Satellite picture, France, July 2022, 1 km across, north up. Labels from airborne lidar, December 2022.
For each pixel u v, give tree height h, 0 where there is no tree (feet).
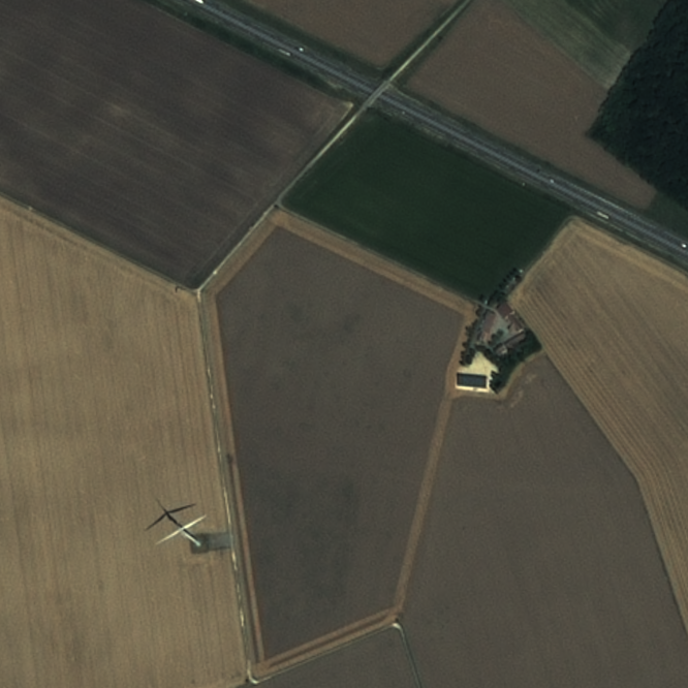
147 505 0
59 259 0
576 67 0
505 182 0
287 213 0
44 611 0
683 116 55
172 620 0
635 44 0
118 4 0
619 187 0
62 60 0
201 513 0
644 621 0
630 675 0
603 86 0
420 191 0
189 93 0
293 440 0
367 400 0
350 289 0
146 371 0
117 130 0
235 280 0
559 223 0
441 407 0
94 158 0
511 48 0
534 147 0
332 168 0
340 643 0
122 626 0
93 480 0
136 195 0
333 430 0
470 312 0
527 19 0
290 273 0
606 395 0
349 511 0
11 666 0
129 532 0
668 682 0
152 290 0
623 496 0
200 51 0
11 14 0
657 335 0
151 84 0
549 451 0
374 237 0
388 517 0
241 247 0
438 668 0
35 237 0
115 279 0
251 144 0
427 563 0
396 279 0
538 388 0
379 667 0
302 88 0
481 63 0
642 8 0
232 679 0
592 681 0
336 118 0
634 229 0
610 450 0
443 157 0
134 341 0
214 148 0
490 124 0
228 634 0
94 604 0
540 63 0
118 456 0
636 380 0
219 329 0
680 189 48
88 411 0
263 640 0
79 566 0
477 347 24
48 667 0
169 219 0
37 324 0
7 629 0
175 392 0
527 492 0
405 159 0
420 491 0
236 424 0
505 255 0
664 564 0
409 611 0
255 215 0
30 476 0
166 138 0
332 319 0
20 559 0
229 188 0
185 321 0
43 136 0
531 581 0
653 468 0
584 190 0
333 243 0
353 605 0
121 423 0
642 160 44
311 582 0
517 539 0
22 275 0
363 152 0
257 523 0
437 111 0
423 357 0
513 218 0
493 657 0
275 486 0
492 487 0
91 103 0
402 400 0
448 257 0
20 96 0
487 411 0
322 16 0
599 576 0
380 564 0
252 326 0
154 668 0
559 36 0
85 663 0
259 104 0
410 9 0
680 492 0
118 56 0
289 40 0
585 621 0
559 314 0
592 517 0
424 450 0
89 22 0
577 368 0
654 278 0
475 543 0
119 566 0
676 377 0
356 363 0
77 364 0
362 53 0
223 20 0
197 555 0
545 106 0
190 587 0
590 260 0
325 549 0
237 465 0
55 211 0
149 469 0
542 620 0
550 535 0
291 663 0
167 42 0
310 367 0
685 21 55
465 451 0
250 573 0
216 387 0
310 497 0
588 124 0
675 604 0
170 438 0
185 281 0
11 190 0
